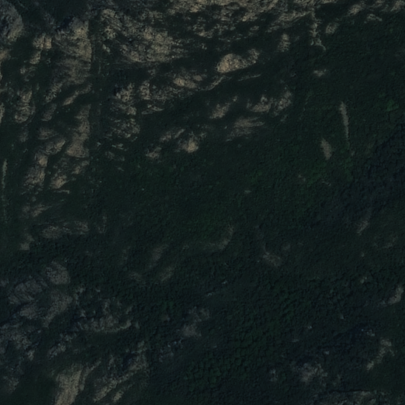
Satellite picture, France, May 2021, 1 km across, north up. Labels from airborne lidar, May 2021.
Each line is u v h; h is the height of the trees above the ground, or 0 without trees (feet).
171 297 43
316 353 37
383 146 47
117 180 28
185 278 45
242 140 20
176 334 39
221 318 29
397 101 42
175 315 55
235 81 19
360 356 21
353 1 37
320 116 32
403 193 32
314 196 37
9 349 27
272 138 29
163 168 31
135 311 53
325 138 33
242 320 29
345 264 23
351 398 37
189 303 45
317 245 31
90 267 55
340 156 18
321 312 51
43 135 0
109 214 29
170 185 29
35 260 51
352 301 37
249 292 25
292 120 25
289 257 28
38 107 22
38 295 18
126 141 21
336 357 29
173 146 34
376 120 34
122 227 20
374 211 27
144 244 39
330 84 28
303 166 27
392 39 35
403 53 24
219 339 21
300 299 52
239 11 23
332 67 21
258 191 54
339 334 23
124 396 22
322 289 52
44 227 26
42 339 21
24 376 24
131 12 34
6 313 23
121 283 40
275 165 22
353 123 31
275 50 19
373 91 37
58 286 18
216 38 19
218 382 22
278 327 57
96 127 30
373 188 23
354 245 23
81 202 22
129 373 32
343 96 24
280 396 23
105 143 20
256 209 28
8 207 24
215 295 19
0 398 19
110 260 35
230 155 20
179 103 28
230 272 20
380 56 51
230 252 32
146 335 20
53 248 64
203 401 19
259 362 46
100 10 26
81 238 42
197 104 24
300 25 17
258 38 34
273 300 40
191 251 25
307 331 19
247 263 53
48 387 28
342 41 26
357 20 20
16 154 20
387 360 30
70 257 53
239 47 24
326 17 30
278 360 18
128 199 21
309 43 32
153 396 20
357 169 57
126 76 31
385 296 36
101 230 21
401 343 44
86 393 27
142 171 24
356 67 21
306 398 18
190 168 31
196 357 31
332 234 30
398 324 22
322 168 24
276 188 46
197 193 42
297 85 44
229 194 26
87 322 40
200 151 25
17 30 0
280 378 33
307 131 33
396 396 27
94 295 23
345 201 47
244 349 63
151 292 47
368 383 24
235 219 34
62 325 32
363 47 39
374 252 47
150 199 31
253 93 19
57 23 19
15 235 32
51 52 17
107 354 24
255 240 27
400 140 72
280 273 21
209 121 18
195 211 32
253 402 36
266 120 21
